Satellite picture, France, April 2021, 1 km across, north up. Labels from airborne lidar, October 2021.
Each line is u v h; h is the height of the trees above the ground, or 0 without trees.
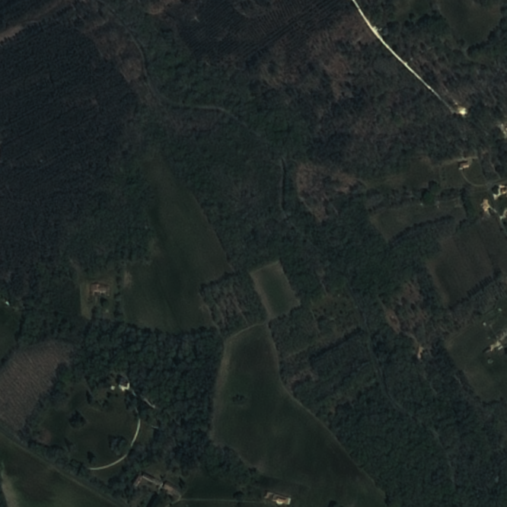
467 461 19
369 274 22
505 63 18
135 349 27
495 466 20
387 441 23
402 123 17
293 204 22
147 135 18
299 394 21
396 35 22
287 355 14
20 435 20
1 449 0
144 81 9
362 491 0
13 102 18
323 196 0
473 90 16
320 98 20
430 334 14
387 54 12
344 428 17
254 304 23
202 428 15
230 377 0
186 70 24
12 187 20
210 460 20
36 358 24
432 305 24
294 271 20
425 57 16
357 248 18
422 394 27
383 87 14
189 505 0
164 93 20
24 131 14
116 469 0
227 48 8
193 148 15
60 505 0
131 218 22
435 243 21
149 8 20
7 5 9
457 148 22
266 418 0
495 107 14
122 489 32
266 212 15
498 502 22
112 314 0
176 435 20
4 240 22
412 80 12
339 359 20
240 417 0
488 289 24
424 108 17
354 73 10
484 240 0
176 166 23
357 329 7
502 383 0
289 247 25
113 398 10
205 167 17
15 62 21
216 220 17
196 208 0
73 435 0
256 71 25
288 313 0
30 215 20
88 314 0
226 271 0
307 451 0
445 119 17
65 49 19
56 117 18
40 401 25
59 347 23
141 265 14
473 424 22
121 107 19
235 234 16
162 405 20
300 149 26
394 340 20
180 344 27
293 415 0
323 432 0
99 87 19
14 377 23
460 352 0
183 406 29
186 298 0
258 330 0
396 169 0
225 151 14
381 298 17
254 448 0
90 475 19
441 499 22
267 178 15
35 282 23
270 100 26
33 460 0
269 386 0
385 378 16
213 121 11
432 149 18
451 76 11
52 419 0
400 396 24
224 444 0
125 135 19
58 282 18
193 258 0
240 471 22
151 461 20
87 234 19
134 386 22
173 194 0
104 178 20
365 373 20
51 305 10
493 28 0
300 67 7
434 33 22
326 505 0
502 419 17
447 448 26
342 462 0
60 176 22
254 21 7
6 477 0
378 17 16
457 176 0
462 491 21
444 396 20
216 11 8
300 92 13
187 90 26
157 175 0
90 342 26
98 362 23
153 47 22
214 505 0
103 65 19
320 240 19
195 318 0
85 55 19
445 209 0
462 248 0
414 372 24
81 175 19
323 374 21
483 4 16
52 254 19
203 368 28
